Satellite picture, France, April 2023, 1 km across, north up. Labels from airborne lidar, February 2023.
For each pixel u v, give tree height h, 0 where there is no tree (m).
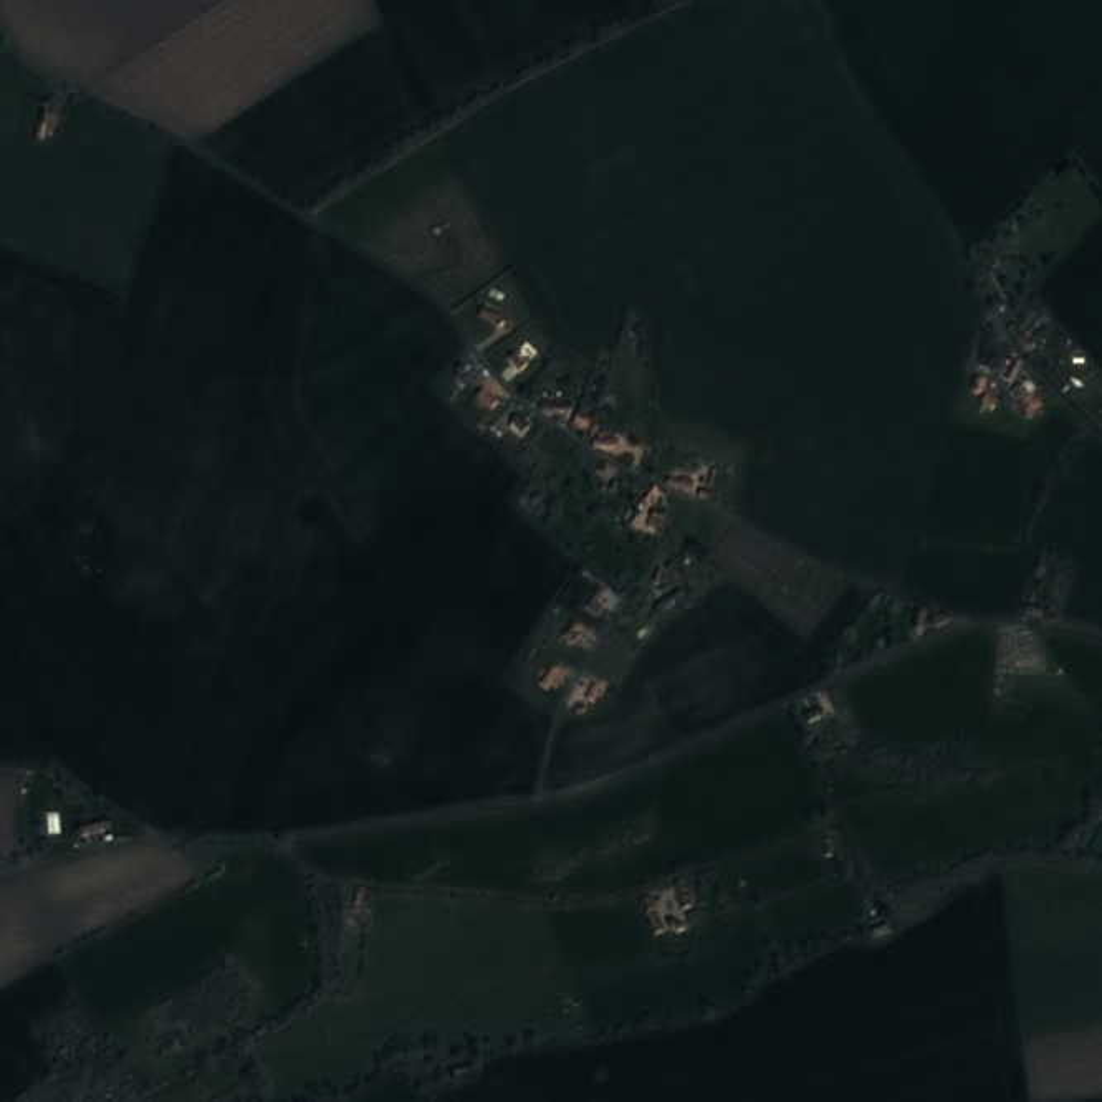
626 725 0
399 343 0
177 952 0
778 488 0
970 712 0
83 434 0
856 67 0
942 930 0
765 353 0
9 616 0
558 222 0
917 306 0
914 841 0
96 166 0
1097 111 0
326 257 0
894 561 0
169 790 0
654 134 0
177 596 0
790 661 0
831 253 0
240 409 0
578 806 0
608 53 0
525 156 0
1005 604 0
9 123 0
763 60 0
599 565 0
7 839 0
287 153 0
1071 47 0
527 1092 0
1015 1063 0
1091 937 0
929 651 0
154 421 0
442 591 0
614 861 0
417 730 0
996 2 0
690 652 0
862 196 0
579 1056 0
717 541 0
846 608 0
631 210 0
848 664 7
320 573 0
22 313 0
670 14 0
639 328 9
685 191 0
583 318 0
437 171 0
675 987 0
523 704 0
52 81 0
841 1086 0
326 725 0
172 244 0
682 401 0
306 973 0
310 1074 0
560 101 0
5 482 0
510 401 0
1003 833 0
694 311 0
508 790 0
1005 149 0
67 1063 6
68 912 0
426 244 0
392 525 0
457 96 0
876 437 0
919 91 0
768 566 0
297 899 0
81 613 0
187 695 0
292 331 0
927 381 0
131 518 0
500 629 0
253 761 0
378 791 0
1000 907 0
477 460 0
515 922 0
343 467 0
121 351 0
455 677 0
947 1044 0
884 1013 0
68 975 0
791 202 0
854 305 0
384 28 0
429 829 0
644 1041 0
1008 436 0
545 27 0
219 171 0
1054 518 0
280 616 0
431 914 0
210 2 0
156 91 0
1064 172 14
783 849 0
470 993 0
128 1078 8
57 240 0
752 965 0
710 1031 0
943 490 0
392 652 0
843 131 0
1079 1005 0
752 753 0
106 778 0
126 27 0
